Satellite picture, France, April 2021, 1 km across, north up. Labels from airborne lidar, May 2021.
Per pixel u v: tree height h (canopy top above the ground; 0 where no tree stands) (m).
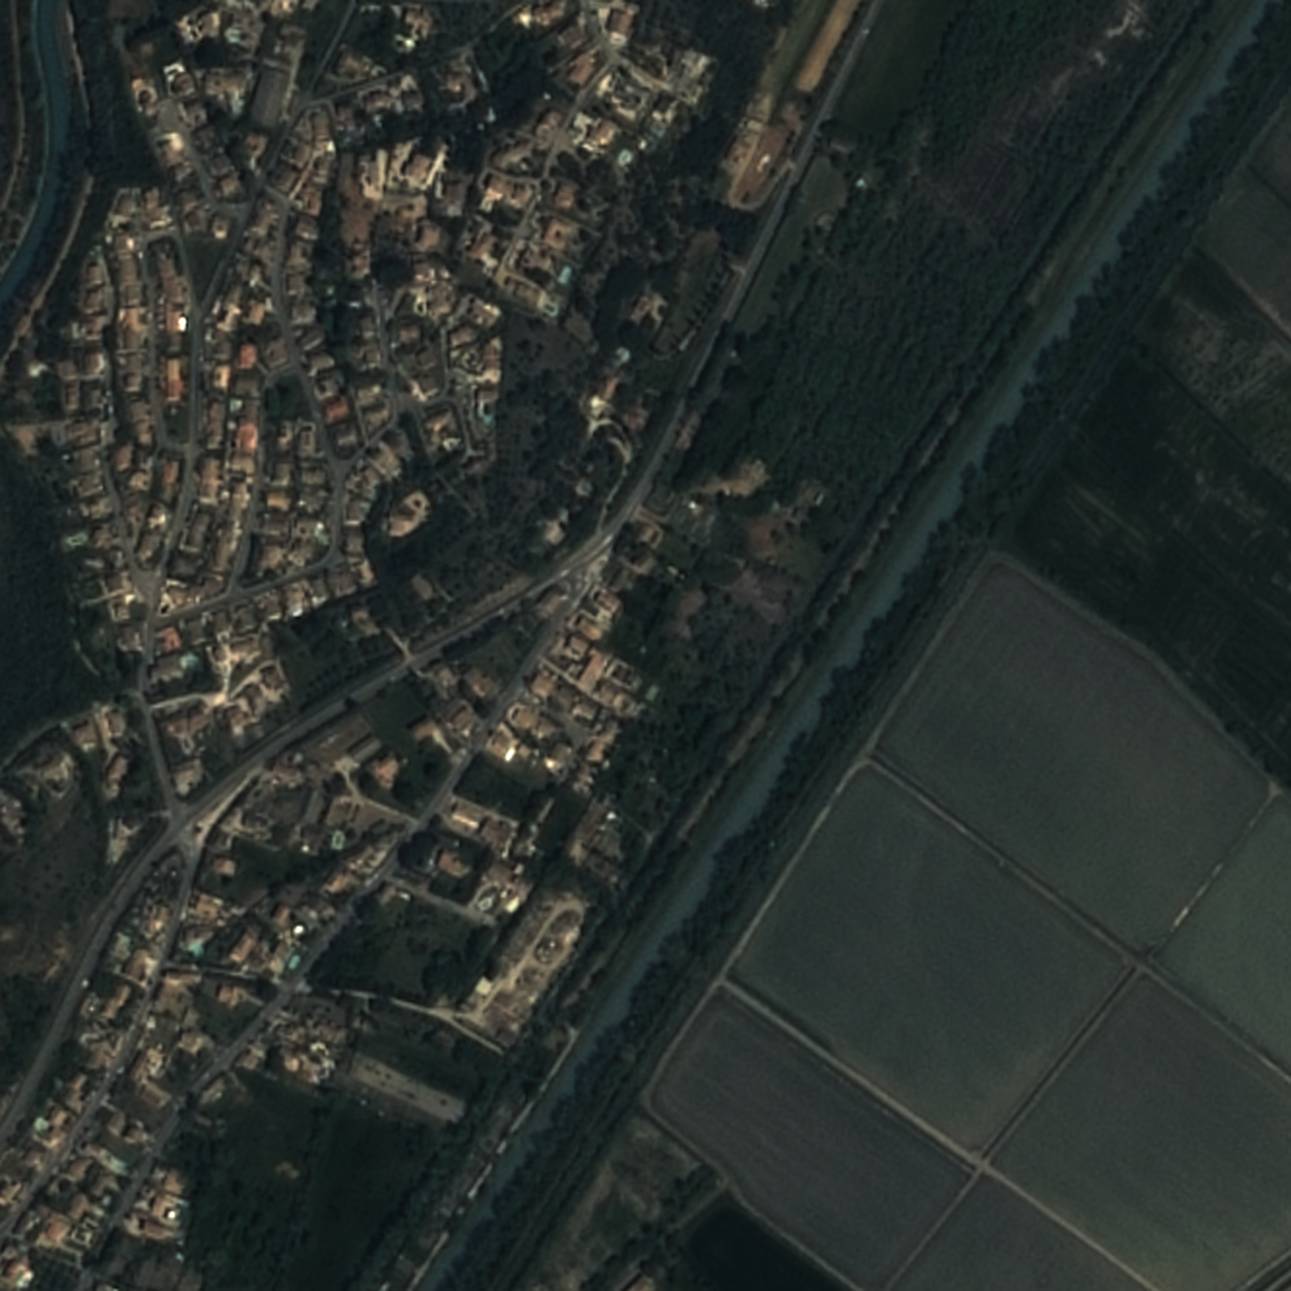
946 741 0
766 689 6
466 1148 13
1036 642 0
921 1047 0
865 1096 0
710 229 13
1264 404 0
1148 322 0
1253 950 0
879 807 0
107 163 15
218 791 0
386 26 9
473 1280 10
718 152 8
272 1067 11
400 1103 0
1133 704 0
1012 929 0
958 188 0
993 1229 0
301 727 0
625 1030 8
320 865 9
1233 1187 0
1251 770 0
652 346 7
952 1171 0
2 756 8
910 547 0
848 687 15
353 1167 0
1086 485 0
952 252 7
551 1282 0
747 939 0
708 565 11
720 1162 0
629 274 14
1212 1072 0
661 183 6
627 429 7
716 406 8
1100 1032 0
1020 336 11
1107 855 0
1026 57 6
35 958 0
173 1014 6
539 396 8
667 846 11
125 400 8
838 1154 0
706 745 10
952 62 10
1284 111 0
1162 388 0
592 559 0
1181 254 0
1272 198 0
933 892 0
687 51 6
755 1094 0
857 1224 0
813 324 10
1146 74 7
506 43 11
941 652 0
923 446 8
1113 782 0
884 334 7
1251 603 0
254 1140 0
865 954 0
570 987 9
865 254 11
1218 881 0
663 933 0
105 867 7
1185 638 0
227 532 0
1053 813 0
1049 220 7
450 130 7
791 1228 0
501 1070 12
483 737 0
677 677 6
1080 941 0
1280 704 0
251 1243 13
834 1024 0
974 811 0
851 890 0
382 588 12
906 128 10
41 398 6
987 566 0
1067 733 0
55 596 7
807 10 0
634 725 12
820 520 12
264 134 9
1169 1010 0
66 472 6
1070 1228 0
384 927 16
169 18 7
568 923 0
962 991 0
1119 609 0
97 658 14
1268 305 0
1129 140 8
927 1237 0
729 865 14
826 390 10
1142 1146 0
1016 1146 0
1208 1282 0
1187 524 0
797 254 0
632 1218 0
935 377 8
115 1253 6
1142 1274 0
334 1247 0
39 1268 7
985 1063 0
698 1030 0
